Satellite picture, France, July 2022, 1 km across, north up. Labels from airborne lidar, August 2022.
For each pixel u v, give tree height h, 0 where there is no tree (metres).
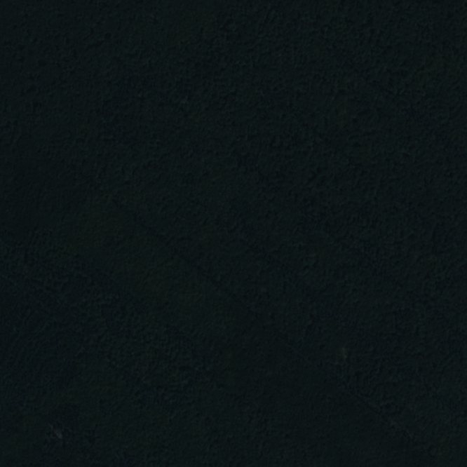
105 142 23
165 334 16
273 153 15
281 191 16
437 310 21
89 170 19
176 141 18
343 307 18
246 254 19
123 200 16
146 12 20
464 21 17
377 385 21
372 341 24
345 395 16
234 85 13
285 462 19
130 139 23
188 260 21
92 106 18
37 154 12
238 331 14
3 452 14
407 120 20
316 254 14
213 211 16
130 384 18
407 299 18
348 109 18
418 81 20
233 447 18
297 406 15
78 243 16
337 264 19
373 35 23
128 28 20
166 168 17
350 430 11
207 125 18
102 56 18
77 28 20
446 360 16
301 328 20
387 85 15
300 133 21
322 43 18
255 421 22
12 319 9
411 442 12
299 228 17
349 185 12
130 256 15
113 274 15
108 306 26
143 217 15
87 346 22
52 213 14
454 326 17
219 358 17
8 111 19
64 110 15
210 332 17
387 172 16
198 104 18
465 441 19
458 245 15
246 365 13
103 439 16
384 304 17
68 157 18
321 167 22
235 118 18
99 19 23
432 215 18
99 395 16
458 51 18
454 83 20
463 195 20
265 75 17
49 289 15
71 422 15
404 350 9
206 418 18
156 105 19
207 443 18
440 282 28
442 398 21
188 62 23
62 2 21
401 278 19
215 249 18
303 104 18
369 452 16
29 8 25
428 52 16
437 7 21
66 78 17
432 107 19
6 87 25
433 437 19
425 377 17
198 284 12
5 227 15
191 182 18
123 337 13
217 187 15
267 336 13
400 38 19
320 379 13
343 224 19
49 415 15
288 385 15
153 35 17
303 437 19
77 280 23
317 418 13
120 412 16
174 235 18
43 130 17
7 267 20
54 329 21
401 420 16
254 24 18
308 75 18
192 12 18
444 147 19
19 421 15
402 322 21
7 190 20
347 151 15
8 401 27
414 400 17
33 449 17
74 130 19
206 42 21
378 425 14
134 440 15
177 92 19
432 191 19
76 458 17
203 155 18
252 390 14
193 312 14
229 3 19
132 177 17
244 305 21
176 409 15
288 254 17
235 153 22
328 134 20
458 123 16
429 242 21
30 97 19
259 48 18
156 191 16
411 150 21
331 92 19
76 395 17
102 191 15
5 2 19
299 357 16
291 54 19
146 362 7
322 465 16
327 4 16
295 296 20
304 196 13
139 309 18
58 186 16
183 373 9
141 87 14
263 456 16
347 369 24
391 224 19
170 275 18
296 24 24
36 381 23
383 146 17
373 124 17
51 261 16
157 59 18
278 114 19
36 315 11
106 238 16
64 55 17
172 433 16
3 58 21
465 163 19
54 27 22
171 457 19
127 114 14
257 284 18
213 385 18
